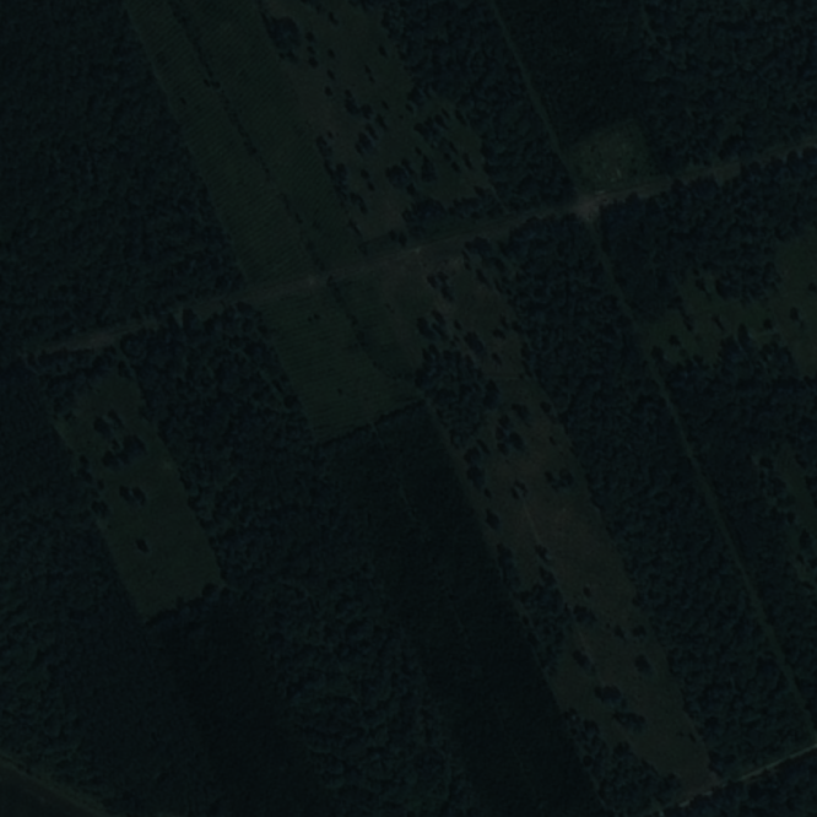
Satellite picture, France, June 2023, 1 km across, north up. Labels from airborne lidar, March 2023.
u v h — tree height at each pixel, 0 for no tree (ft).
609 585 0
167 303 65
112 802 78
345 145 0
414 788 75
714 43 80
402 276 0
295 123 0
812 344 0
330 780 77
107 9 81
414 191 81
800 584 76
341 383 0
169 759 114
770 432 85
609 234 68
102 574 106
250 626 67
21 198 71
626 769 53
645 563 59
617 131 0
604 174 0
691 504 65
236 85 0
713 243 77
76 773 67
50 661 76
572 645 0
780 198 81
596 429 55
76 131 82
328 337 0
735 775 64
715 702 84
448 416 52
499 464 0
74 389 58
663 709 0
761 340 0
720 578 78
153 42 0
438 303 0
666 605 75
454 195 0
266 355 87
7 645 83
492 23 80
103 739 121
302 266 0
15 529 43
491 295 0
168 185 53
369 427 28
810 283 0
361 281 0
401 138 0
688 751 0
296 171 0
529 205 48
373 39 0
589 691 0
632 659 0
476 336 0
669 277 80
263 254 0
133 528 0
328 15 0
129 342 48
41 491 90
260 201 0
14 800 0
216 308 0
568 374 77
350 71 0
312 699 82
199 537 0
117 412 0
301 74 0
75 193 85
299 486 103
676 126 71
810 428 90
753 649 75
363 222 0
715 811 71
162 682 117
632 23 69
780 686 80
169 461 0
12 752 41
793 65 74
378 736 61
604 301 50
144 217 103
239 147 0
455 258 0
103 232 82
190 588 0
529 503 0
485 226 0
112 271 83
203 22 0
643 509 75
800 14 43
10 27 101
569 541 0
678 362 0
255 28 0
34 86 76
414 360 0
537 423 0
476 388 77
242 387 84
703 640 56
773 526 75
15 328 69
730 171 0
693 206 76
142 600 0
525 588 0
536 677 31
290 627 83
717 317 0
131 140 93
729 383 61
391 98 0
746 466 81
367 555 61
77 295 72
